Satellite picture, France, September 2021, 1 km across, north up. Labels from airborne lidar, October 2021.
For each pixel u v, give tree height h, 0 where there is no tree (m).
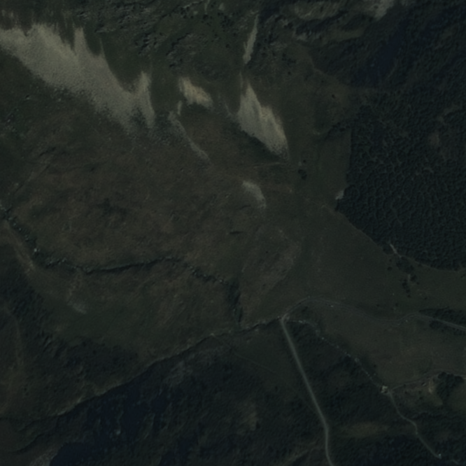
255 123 0
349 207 16
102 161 0
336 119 0
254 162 0
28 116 0
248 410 0
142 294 0
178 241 0
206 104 0
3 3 0
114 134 0
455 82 9
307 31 12
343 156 0
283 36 0
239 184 0
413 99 16
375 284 0
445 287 0
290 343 0
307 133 0
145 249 0
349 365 13
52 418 6
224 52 0
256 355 0
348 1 9
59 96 0
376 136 11
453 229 13
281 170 0
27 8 0
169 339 0
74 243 0
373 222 14
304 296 0
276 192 0
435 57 11
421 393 6
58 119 0
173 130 0
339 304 0
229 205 0
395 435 0
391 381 0
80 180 0
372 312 0
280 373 0
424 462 14
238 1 0
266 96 0
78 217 0
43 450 0
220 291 0
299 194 0
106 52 0
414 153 11
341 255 0
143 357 0
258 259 0
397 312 0
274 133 0
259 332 0
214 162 0
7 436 0
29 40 0
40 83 0
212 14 0
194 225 0
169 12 0
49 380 0
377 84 8
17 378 0
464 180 12
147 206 0
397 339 0
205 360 0
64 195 0
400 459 9
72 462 6
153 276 0
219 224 0
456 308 0
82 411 7
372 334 0
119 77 0
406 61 9
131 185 0
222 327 0
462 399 0
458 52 7
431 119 12
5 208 0
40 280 0
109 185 0
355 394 8
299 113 0
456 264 15
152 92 0
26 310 8
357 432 0
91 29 0
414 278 12
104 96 0
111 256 0
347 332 0
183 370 0
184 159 0
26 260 0
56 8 0
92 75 0
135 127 0
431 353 0
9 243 0
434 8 8
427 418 5
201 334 0
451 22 9
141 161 0
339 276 0
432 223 10
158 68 0
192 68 0
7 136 0
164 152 0
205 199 0
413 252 19
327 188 0
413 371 0
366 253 0
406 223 13
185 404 7
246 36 0
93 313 0
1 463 0
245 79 0
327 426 0
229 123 0
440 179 14
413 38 10
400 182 12
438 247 15
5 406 0
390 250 15
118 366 11
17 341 0
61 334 0
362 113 8
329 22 12
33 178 0
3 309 0
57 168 0
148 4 0
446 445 8
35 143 0
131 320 0
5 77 0
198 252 0
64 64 0
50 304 0
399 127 8
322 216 0
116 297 0
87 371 7
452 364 0
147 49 9
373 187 15
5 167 0
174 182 0
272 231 0
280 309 0
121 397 11
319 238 0
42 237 0
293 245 0
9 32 0
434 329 19
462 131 7
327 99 0
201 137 0
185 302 0
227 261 0
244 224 0
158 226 0
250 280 0
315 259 0
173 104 0
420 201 12
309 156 0
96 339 0
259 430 11
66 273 0
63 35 0
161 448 9
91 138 0
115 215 0
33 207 0
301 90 0
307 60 0
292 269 0
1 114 0
